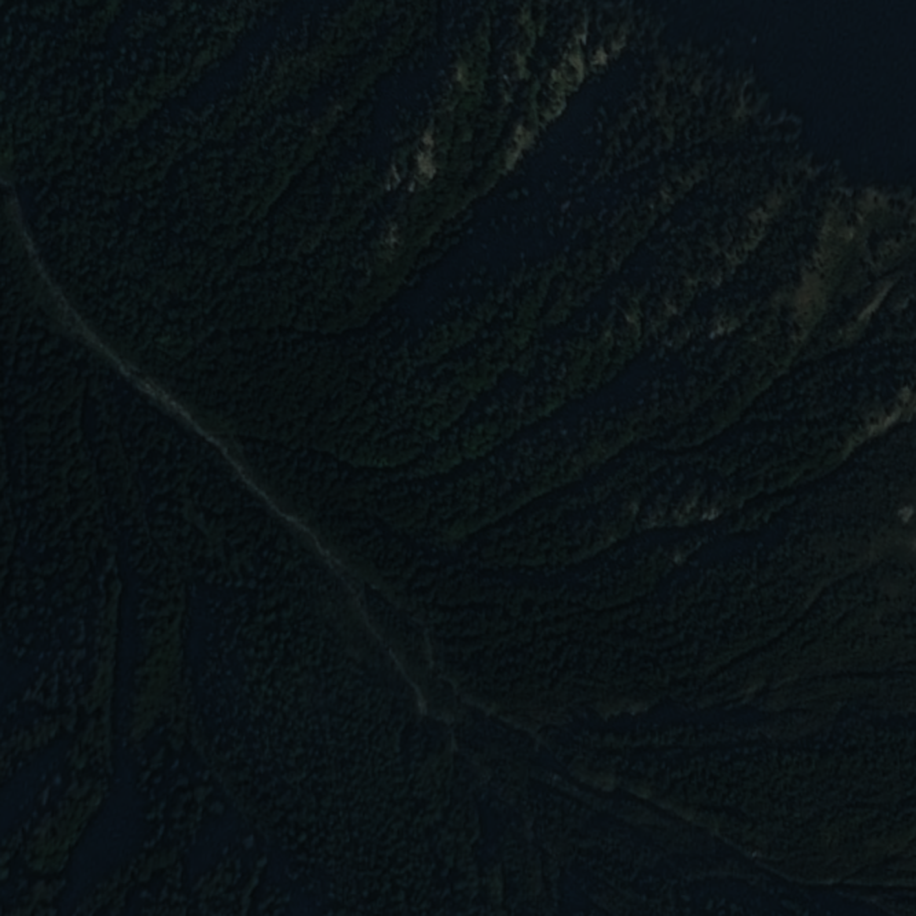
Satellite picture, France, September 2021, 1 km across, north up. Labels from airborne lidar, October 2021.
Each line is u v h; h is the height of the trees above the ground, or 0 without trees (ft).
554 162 42
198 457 28
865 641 23
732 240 36
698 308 42
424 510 53
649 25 33
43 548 26
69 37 71
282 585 29
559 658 39
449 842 27
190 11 83
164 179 42
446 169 24
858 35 0
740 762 24
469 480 57
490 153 50
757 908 19
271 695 28
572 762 19
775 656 41
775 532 33
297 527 0
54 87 64
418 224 61
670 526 25
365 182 45
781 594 23
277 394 65
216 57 31
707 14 38
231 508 34
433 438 51
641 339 33
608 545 38
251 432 38
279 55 73
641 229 59
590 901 27
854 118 23
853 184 23
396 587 31
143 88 48
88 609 79
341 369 67
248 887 56
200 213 69
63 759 105
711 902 21
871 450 32
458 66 42
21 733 31
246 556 22
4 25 62
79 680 78
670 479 28
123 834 26
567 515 30
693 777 24
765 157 27
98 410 58
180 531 49
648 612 66
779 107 24
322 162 73
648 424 47
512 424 48
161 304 80
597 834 21
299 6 77
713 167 22
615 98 30
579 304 61
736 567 43
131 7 42
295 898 17
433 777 23
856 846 22
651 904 30
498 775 18
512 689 45
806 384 36
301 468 36
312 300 71
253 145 61
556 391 64
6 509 34
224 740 51
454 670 21
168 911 61
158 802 47
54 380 50
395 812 44
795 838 29
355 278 46
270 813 43
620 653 31
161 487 58
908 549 0
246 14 49
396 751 22
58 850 59
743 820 32
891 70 42
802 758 29
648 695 23
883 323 23
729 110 58
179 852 21
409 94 56
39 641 56
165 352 31
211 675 46
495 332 27
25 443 56
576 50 53
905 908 18
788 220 25
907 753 29
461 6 55
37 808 114
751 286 27
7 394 53
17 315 57
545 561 30
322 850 33
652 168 53
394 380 73
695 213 34
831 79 27
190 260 86
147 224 99
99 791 19
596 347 52
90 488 58
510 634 47
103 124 38
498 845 21
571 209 52
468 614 49
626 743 36
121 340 37
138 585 35
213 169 70
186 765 35
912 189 28
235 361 72
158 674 41
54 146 97
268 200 61
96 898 18
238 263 77
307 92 79
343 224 75
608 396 33
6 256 34
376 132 51
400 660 0
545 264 72
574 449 53
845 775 27
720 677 30
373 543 33
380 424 53
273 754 43
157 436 50
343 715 26
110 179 91
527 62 0
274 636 36
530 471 69
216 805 37
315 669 27
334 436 69
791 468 29
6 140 34
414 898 25
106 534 31
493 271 44
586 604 62
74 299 30
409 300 36
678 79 31
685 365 28
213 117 39
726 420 35
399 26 62
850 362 26
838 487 24
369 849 26
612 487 37
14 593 36
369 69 69
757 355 39
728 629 34
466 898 33
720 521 25
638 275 51
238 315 85
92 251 59
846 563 25
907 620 33
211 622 26
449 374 43
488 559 50
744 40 43
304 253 62
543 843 20
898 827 25
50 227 63
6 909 44
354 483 61
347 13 65
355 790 22
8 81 92
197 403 32
